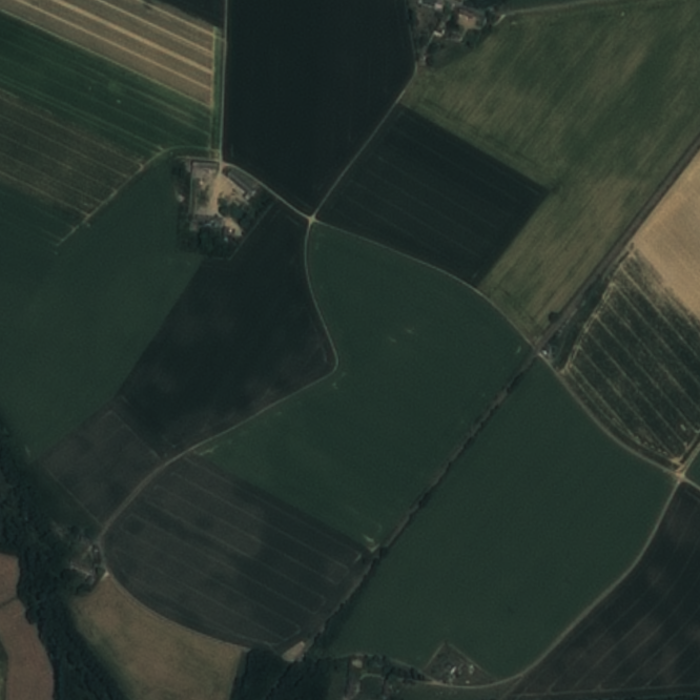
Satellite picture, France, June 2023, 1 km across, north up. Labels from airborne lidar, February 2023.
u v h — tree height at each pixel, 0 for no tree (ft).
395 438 0
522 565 0
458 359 0
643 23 0
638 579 0
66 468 0
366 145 0
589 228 0
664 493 0
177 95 0
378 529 0
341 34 0
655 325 0
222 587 0
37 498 57
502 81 0
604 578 0
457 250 0
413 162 0
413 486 0
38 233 0
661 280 0
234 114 0
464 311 0
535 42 0
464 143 0
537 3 0
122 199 0
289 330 0
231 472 0
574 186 0
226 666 0
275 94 0
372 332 0
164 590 0
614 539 0
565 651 0
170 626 0
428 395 0
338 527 0
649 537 0
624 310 0
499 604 0
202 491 0
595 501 0
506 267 0
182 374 0
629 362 0
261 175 0
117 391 0
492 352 0
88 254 0
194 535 0
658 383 0
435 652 0
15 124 0
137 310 0
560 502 0
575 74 0
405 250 0
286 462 0
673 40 0
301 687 66
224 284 0
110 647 0
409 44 0
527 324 0
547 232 0
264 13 0
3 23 0
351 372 0
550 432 0
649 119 0
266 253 0
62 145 0
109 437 0
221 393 0
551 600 0
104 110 0
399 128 0
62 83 0
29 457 0
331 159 0
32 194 0
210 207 0
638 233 0
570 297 0
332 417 0
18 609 0
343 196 0
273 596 0
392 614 0
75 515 0
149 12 0
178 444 0
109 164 0
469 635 0
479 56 0
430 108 0
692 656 0
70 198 0
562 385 0
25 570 46
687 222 0
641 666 0
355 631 0
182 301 0
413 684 35
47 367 0
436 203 0
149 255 0
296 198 0
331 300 0
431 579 0
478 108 0
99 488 0
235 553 0
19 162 0
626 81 0
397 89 0
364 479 0
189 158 0
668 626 0
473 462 0
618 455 0
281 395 0
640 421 0
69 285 0
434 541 0
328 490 0
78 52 0
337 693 0
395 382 0
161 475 0
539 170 0
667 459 0
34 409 0
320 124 0
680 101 0
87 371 0
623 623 0
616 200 0
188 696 0
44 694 0
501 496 0
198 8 0
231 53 0
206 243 58
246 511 0
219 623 0
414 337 0
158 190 0
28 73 0
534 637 0
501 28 0
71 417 0
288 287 0
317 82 0
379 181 0
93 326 0
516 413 0
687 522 0
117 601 0
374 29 0
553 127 0
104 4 0
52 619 104
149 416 0
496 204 0
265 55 0
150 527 0
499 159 0
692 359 0
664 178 0
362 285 0
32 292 0
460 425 0
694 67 0
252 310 0
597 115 0
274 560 0
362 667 0
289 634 0
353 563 0
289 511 0
